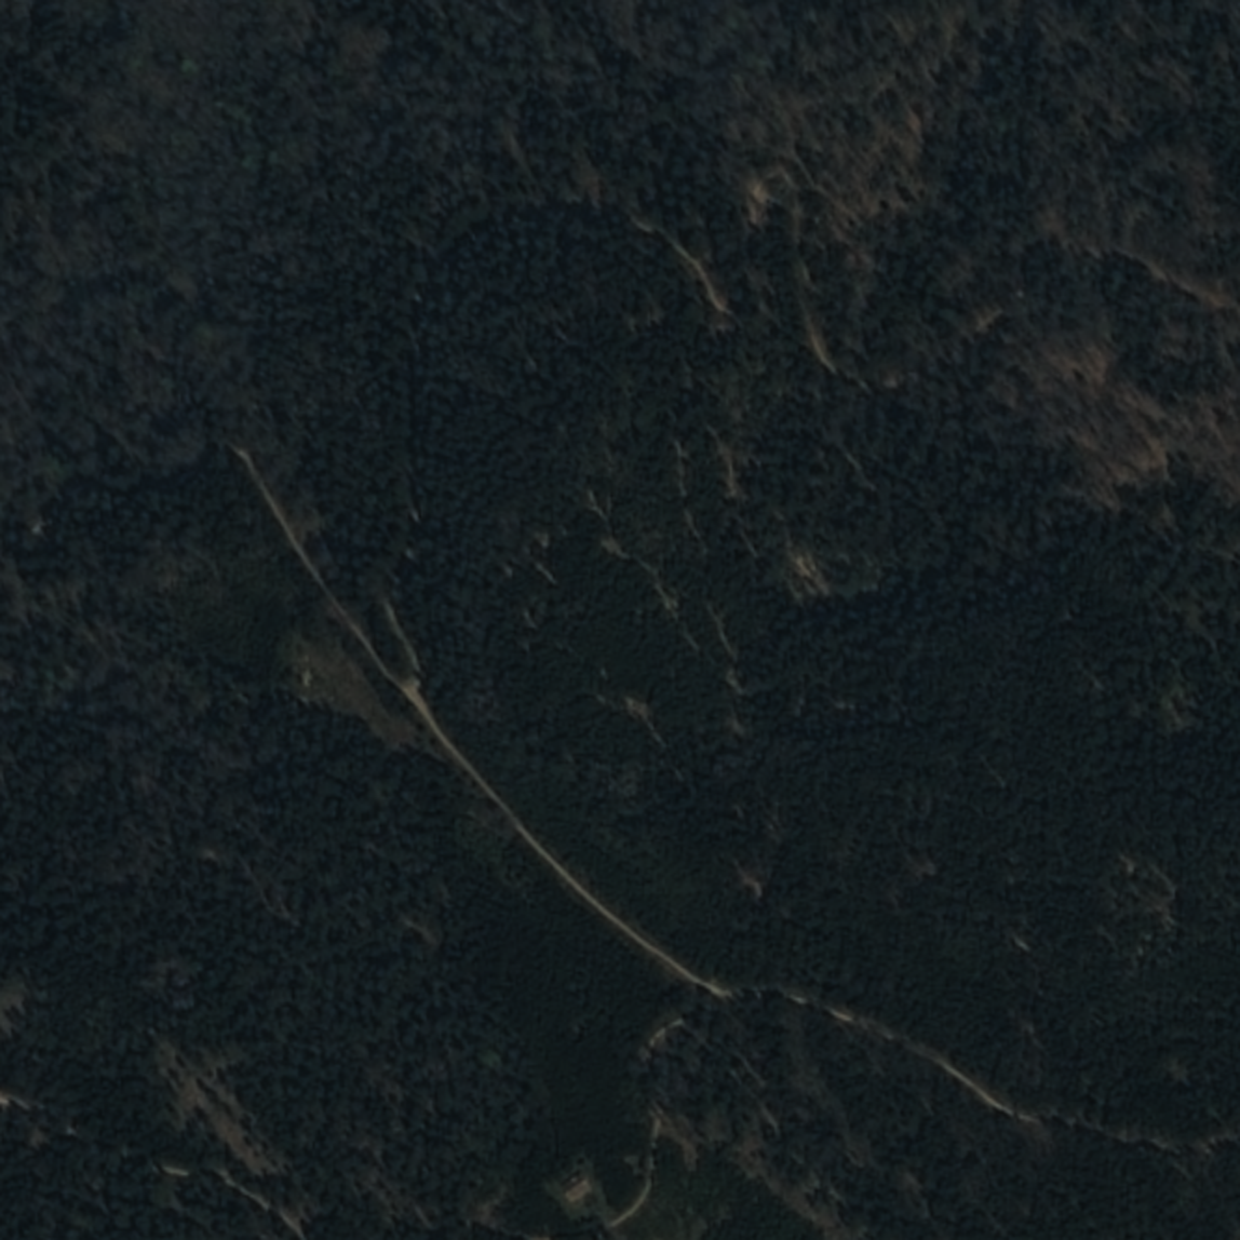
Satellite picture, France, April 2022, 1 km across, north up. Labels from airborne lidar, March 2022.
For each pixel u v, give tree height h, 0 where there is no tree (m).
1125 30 26
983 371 30
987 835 23
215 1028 29
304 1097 28
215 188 22
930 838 21
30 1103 24
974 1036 15
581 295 28
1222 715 25
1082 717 17
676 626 12
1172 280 13
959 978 13
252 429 26
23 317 37
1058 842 23
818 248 29
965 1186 20
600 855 17
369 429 22
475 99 23
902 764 25
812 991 18
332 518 31
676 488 5
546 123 29
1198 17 27
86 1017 25
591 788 19
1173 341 30
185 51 24
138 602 26
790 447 26
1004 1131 22
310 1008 26
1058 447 33
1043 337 34
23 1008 0
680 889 12
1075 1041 16
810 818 20
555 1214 8
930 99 33
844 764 20
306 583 17
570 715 9
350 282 25
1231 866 22
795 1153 22
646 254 26
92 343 29
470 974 23
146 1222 25
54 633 9
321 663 0
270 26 26
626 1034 13
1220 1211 19
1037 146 34
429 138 17
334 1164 26
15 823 31
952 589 32
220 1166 26
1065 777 23
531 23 33
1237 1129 23
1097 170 25
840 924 17
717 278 22
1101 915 26
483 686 24
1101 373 35
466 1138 25
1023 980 15
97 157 31
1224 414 6
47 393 38
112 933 24
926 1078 24
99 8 8
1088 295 26
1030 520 22
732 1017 16
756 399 9
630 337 25
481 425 24
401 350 26
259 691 35
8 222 30
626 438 7
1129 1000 19
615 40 31
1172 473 7
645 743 9
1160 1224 22
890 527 27
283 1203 18
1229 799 24
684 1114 32
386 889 32
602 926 7
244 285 14
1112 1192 19
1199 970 15
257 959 22
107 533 25
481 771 22
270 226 21
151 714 31
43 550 19
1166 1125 17
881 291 31
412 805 34
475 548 20
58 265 41
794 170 12
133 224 17
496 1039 31
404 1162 24
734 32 33
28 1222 16
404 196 31
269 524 19
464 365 25
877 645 21
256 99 20
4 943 28
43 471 33
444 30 38
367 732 16
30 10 37
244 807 21
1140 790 22
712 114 29
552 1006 16
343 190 28
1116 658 22
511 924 20
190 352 23
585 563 11
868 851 18
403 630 11
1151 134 19
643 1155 9
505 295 21
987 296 14
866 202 33
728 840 25
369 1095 29
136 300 24
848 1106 17
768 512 16
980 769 20
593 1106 8
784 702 11
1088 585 14
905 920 17
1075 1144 21
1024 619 18
